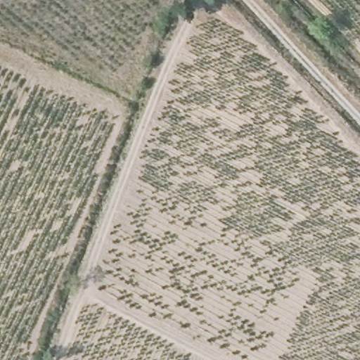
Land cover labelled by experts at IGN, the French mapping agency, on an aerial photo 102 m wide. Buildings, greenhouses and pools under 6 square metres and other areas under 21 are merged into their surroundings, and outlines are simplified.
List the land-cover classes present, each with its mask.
<instances>
[{"label":"vineyard","instance_id":"1","mask_svg":"<svg viewBox=\"0 0 360 360\"><path fill-rule=\"evenodd\" d=\"M186 0H0V46L7 44L10 48L20 49L32 59L51 66L52 69L62 70L67 76L75 77L80 82L89 83L127 105L129 101L139 104L143 97H149L148 104L143 111H139V120H135L131 138L124 150L127 157L118 163V176L112 180L107 200L104 201L86 255L80 264L79 273L72 274L67 270V266L76 256L75 246L80 229L87 225L86 218L90 215L91 205L97 202L98 188L103 183L112 146L117 145L118 136L124 132V124L129 115L128 108L118 115L97 108L82 111L87 103L77 104L75 97H65L56 91L42 89L39 86L32 89L25 84V79H21L17 86L10 89L8 82L13 77V72L0 66V360H34L42 326L49 309L55 308L56 294L59 290H65L69 294V300L65 314L59 321L60 332L55 333L51 340L53 360H360V125L350 117L342 105L337 103L336 98L328 90L323 89L321 82L291 55L281 44L280 39L242 0H226L221 10L215 11L218 18L193 27L184 18ZM315 14L312 24L321 28L323 34L330 38V44L336 48L342 49L354 44L356 49L352 53L360 60V0H307Z\"/></svg>","mask_w":360,"mask_h":360},{"label":"brushwood","instance_id":"2","mask_svg":"<svg viewBox=\"0 0 360 360\"><path fill-rule=\"evenodd\" d=\"M149 97H143L139 104L129 101L127 105L128 108L129 115L124 124V132L118 136L117 145L112 146L103 183L98 188L97 202L91 205L90 215L86 218L87 225L80 229L75 246L76 256L67 266V270L72 274L79 273L80 264L86 255L104 201L107 200L112 180L118 176V163L127 157L124 150L131 138L135 120H139V111H143L148 104ZM69 300V294L65 290H59L56 294L55 308L49 309L42 326L34 360H53L51 340L55 333L60 332L59 321L65 314Z\"/></svg>","mask_w":360,"mask_h":360},{"label":"plowed land","instance_id":"3","mask_svg":"<svg viewBox=\"0 0 360 360\"><path fill-rule=\"evenodd\" d=\"M0 66L13 72V77L8 82L10 89L17 86L21 79H25V84L32 89L39 86L42 89L56 91L65 97H75L77 104L87 103L82 111L97 108L118 115L128 108L127 105L89 83L80 82L75 77L67 76L62 70L52 69L51 66L32 59L20 49L10 48L7 44L0 46Z\"/></svg>","mask_w":360,"mask_h":360},{"label":"deciduous trees","instance_id":"4","mask_svg":"<svg viewBox=\"0 0 360 360\"><path fill-rule=\"evenodd\" d=\"M226 0H186L184 18L193 27L218 18L215 11L221 10ZM291 31L304 35L315 45V52L322 56L326 65L333 66L337 62L332 56L336 48L330 44V38L323 34L321 28L312 24L315 14L307 0H264Z\"/></svg>","mask_w":360,"mask_h":360},{"label":"herbaceous vegetation","instance_id":"5","mask_svg":"<svg viewBox=\"0 0 360 360\"><path fill-rule=\"evenodd\" d=\"M264 13L269 14L270 18L277 22L278 27L308 56V59L314 62L322 75H325L326 79L360 112V60L352 53L356 49L354 44L342 49L336 48L332 56L337 62L333 66L326 65L322 56L315 52V45L304 35L291 31L264 0H256Z\"/></svg>","mask_w":360,"mask_h":360},{"label":"pervious surface","instance_id":"6","mask_svg":"<svg viewBox=\"0 0 360 360\"><path fill-rule=\"evenodd\" d=\"M280 39L281 44L291 55L321 82L323 89L328 90L336 98L337 103L342 105L350 117L360 125V112L326 79L325 75H322L314 62L308 59V56L278 27L277 22L270 18L269 14L264 13L256 0H242Z\"/></svg>","mask_w":360,"mask_h":360}]
</instances>
